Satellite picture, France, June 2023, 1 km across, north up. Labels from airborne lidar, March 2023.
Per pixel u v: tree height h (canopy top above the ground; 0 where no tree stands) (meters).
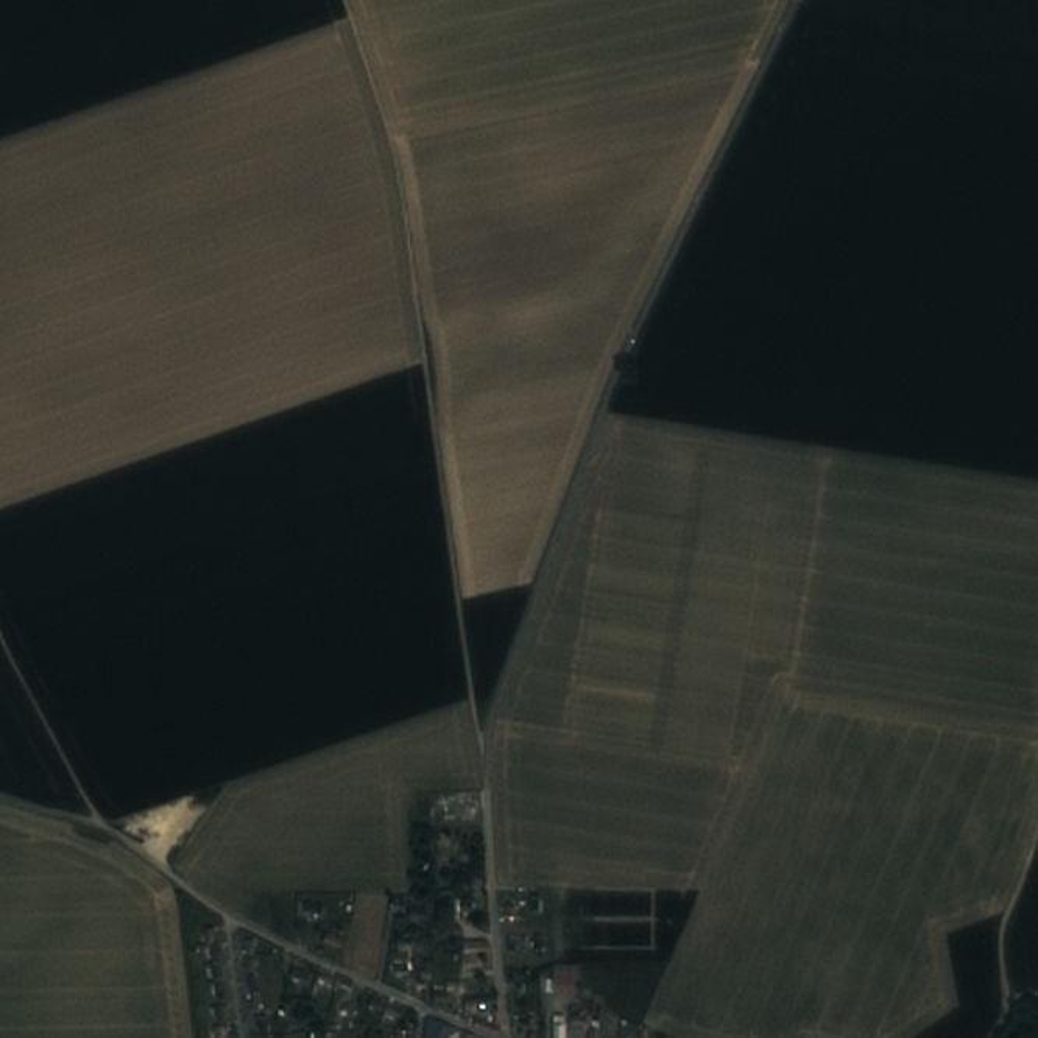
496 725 0
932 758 0
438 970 0
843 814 0
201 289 0
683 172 0
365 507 0
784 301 0
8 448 0
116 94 0
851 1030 0
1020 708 0
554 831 0
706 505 0
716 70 0
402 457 0
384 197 0
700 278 0
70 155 0
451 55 0
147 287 0
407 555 0
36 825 0
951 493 0
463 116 0
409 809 0
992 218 0
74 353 0
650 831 0
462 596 0
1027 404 0
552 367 0
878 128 0
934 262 0
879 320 0
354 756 0
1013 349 0
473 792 0
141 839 0
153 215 0
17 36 0
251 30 0
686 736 0
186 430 0
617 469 0
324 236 0
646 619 0
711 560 0
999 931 0
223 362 0
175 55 0
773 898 0
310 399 0
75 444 0
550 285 0
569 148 0
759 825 0
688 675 0
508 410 0
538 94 0
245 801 0
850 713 0
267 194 0
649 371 0
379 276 0
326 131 0
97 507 0
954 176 0
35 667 0
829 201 0
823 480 0
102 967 0
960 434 0
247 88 0
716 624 0
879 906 0
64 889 0
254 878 0
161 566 0
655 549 0
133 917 0
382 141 0
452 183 0
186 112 0
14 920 0
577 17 0
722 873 0
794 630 0
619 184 0
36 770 0
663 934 0
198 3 0
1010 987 0
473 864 7
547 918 0
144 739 0
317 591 0
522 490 0
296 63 0
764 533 0
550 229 0
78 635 0
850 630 0
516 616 0
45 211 0
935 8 0
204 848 0
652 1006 0
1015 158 0
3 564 0
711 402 0
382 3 0
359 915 0
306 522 0
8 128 0
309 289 0
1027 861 0
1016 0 0
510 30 0
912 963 0
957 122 0
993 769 0
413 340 0
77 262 0
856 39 0
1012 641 0
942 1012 0
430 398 0
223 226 0
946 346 0
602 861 0
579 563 0
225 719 0
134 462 0
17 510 0
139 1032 0
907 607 0
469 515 0
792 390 0
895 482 0
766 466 0
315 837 0
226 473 0
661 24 0
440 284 0
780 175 0
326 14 0
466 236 0
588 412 0
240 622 0
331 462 0
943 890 0
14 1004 0
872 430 0
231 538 0
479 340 0
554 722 0
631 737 0
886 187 0
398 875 0
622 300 0
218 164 0
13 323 0
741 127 0
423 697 0
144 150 0
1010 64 0
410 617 0
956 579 0
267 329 0
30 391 0
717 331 0
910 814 0
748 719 0
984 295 0
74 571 0
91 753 0
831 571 0
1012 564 0
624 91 0
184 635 0
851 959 0
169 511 0
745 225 0
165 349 0
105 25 0
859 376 0
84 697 0
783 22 0
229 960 0
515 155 0
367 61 0
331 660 0
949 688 0
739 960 0
